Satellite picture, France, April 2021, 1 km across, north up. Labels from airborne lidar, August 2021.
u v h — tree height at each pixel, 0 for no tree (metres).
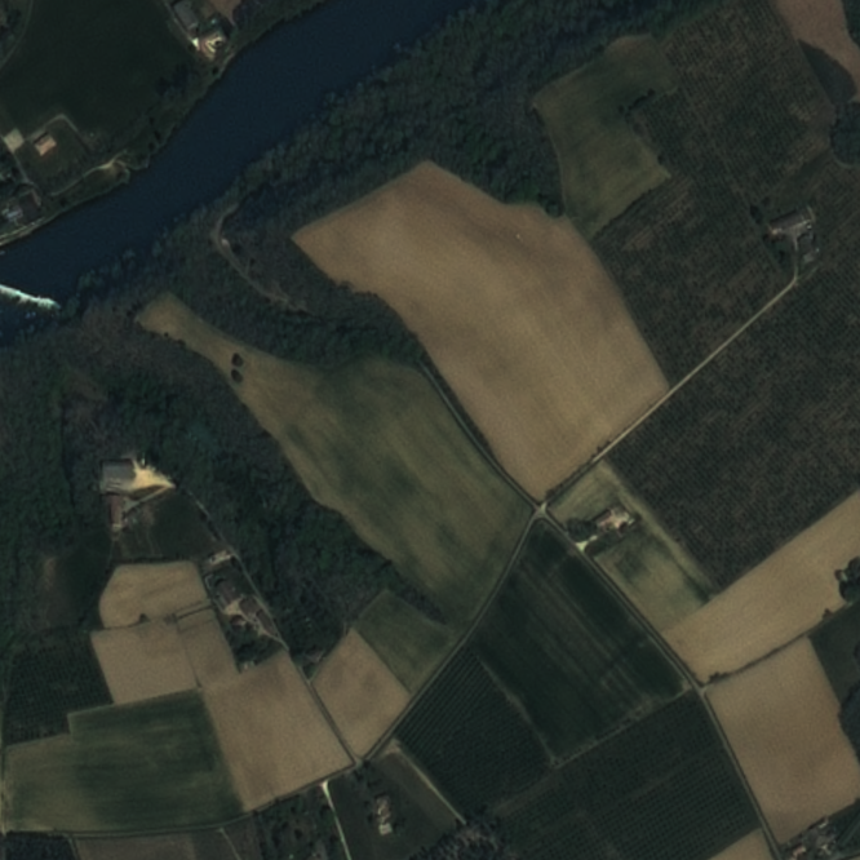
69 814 0
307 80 0
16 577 14
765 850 0
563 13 25
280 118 0
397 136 20
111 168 0
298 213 12
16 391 19
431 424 0
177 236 27
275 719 0
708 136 5
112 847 0
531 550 0
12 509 21
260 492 14
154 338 12
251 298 21
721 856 0
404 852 0
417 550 0
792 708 0
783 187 0
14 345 22
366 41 0
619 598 0
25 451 20
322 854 0
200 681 0
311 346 18
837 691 0
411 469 0
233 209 11
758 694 0
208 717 0
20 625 20
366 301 16
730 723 0
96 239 0
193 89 37
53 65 0
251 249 5
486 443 5
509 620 0
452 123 20
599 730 0
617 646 0
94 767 0
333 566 22
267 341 19
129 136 15
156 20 0
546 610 0
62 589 0
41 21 0
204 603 0
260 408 0
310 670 8
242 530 18
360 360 0
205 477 23
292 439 0
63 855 11
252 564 19
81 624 9
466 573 0
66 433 19
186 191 0
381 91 14
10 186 12
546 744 0
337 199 16
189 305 11
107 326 5
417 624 0
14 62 0
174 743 0
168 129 0
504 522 0
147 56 0
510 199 8
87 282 16
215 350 0
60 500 21
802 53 0
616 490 0
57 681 6
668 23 15
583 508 0
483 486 0
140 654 0
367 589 16
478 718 6
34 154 0
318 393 0
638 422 0
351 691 0
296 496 7
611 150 0
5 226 17
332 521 25
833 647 0
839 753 0
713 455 5
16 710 6
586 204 0
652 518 0
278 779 0
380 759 0
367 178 10
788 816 0
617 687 0
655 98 13
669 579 0
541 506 0
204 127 0
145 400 9
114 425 20
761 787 0
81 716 0
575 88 0
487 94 9
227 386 16
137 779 0
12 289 0
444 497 0
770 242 8
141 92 0
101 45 0
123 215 0
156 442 19
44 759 0
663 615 0
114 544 0
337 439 0
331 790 0
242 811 0
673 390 0
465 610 0
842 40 0
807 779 0
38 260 0
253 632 9
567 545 0
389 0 0
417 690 0
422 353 12
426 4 0
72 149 0
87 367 19
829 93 0
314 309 17
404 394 0
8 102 0
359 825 0
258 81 0
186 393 19
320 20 0
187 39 0
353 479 0
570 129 0
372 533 0
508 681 0
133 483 0
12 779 0
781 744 0
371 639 0
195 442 17
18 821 0
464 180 15
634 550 0
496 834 18
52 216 0
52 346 20
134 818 0
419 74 28
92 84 0
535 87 7
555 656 0
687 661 0
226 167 0
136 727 0
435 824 0
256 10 24
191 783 0
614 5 24
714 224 5
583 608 0
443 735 6
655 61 0
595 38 20
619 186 0
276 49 0
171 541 0
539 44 15
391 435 0
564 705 0
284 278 13
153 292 13
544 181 19
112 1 0
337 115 29
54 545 23
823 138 0
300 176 25
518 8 27
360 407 0
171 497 0
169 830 0
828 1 0
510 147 19
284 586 14
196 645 0
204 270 13
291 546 21
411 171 13
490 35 29
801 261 9
